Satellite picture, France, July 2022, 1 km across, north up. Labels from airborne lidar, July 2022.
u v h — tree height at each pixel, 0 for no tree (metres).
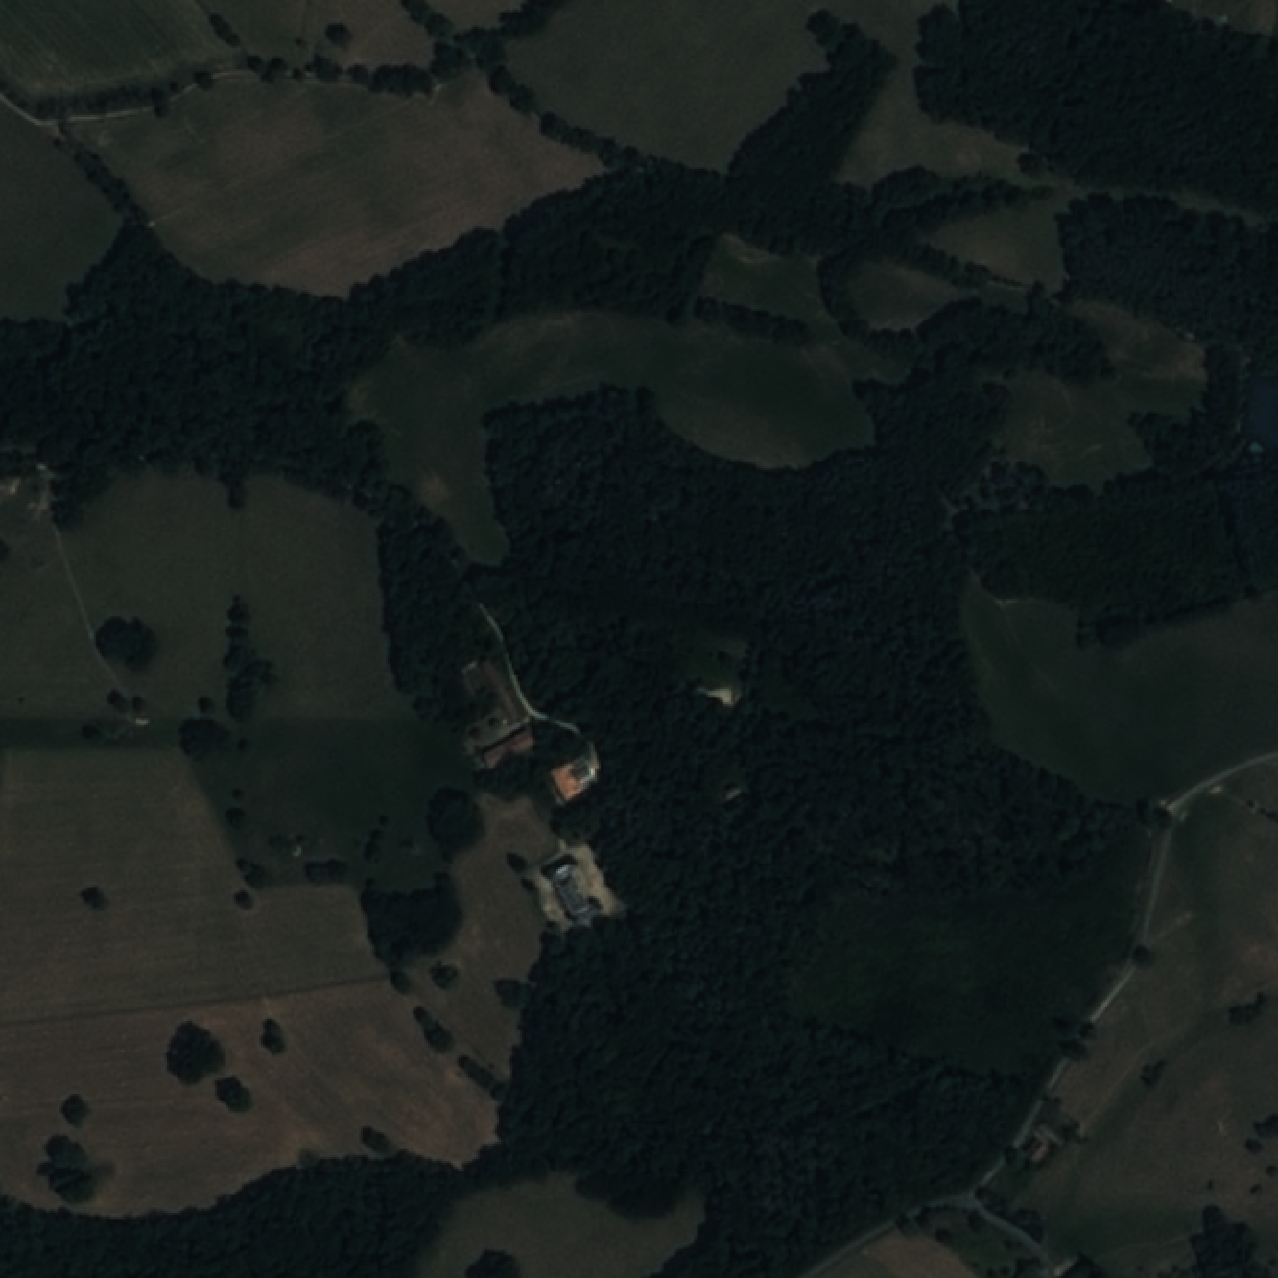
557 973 20
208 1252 23
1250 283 26
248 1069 0
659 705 20
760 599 23
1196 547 9
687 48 0
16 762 0
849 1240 7
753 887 23
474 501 0
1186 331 13
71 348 27
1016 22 21
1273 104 24
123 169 0
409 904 17
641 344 0
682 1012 23
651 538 29
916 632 21
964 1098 26
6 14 0
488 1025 0
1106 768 0
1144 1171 0
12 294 0
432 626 30
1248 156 28
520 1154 22
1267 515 33
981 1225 18
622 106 0
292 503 0
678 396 0
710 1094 25
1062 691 0
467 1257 0
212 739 22
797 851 35
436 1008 0
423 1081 0
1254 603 10
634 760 26
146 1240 21
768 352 0
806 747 24
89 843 0
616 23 0
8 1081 0
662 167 16
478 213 0
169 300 18
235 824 13
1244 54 21
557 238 24
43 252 0
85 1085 0
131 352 24
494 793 13
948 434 22
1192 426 7
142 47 0
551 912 0
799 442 0
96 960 0
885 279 0
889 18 0
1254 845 0
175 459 27
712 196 23
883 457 21
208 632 0
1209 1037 0
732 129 0
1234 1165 0
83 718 0
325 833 0
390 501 22
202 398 28
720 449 0
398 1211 26
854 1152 26
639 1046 24
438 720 14
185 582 0
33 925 0
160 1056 0
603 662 26
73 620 0
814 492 23
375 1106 0
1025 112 26
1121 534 9
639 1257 0
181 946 0
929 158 0
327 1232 24
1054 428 0
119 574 0
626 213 20
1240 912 0
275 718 0
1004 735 0
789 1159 28
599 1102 25
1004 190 9
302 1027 0
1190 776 0
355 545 0
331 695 0
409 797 0
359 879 0
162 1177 0
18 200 0
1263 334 20
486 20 0
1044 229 0
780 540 25
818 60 0
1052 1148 6
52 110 16
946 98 23
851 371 0
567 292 12
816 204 22
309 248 0
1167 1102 0
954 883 7
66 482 11
